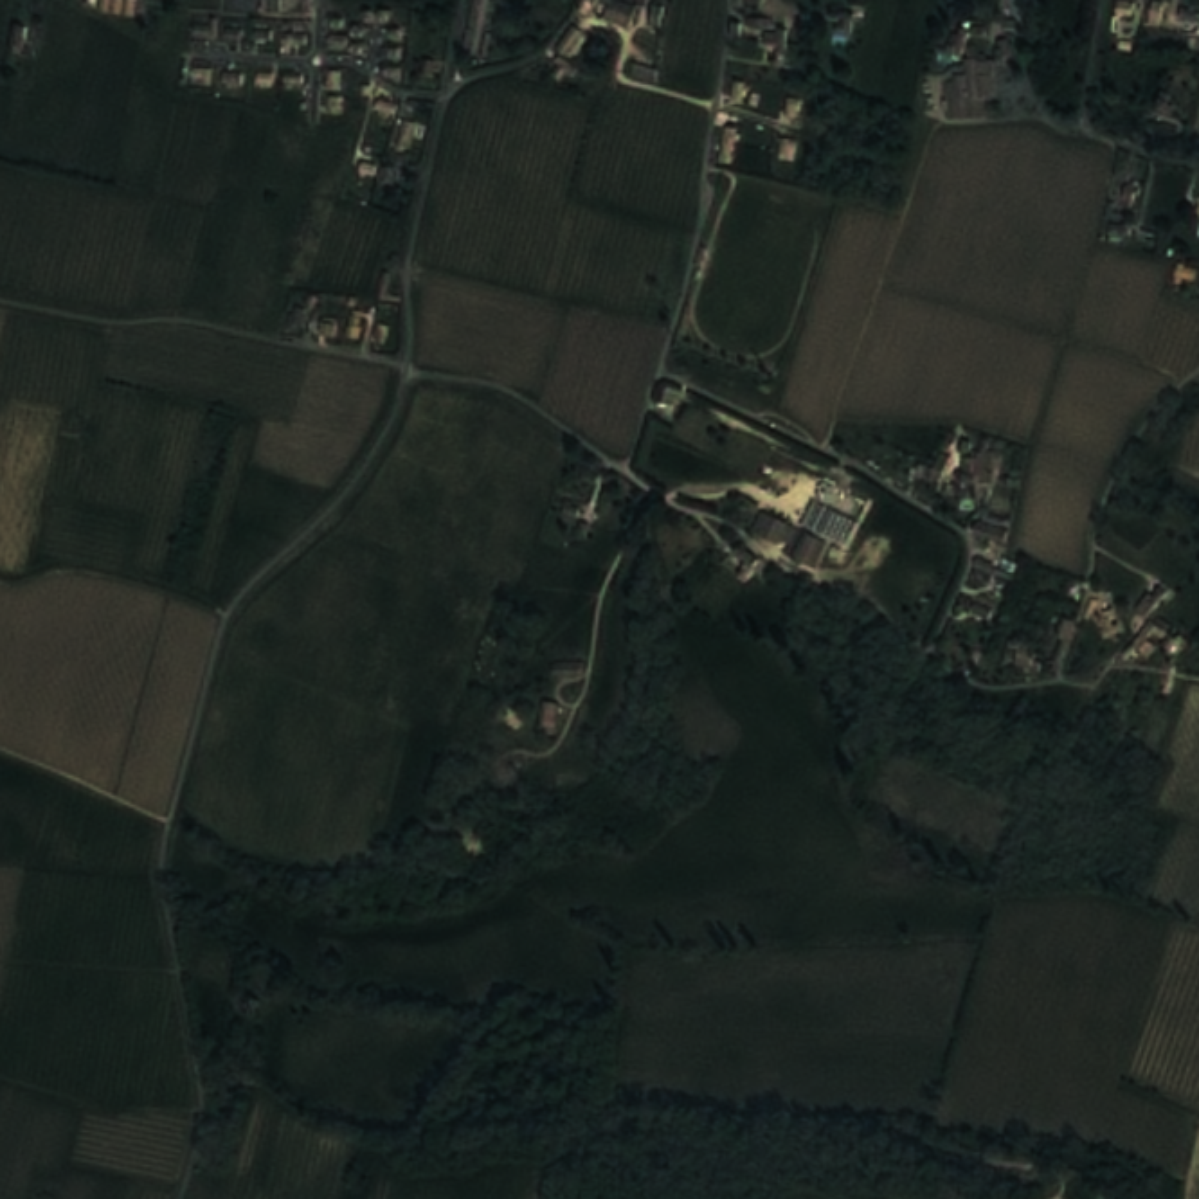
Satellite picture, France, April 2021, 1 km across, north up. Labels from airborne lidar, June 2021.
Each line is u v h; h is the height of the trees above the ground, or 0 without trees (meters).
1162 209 0
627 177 0
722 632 0
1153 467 0
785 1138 22
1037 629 11
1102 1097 0
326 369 0
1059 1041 0
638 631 18
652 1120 22
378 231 0
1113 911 0
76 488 0
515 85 0
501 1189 0
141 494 0
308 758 0
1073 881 6
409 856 20
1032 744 20
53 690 0
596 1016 14
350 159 0
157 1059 0
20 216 0
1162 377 0
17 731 0
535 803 11
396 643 0
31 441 0
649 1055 0
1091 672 15
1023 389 0
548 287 0
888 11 0
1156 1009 0
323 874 12
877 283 0
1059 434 0
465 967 0
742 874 0
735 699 0
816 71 12
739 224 0
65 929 0
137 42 0
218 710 0
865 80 0
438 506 0
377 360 0
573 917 8
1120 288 0
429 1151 19
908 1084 0
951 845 0
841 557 0
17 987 0
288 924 0
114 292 0
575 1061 17
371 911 18
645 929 0
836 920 0
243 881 18
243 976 8
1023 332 0
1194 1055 0
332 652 0
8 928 0
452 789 16
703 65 0
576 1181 19
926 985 0
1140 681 10
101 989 0
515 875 22
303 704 0
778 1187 16
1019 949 0
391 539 0
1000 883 17
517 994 18
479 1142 21
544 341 0
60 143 0
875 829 0
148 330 0
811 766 0
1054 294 0
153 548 0
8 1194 0
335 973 19
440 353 0
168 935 0
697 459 0
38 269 0
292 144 0
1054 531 0
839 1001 0
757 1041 0
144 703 0
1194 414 17
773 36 0
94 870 0
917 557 0
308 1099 0
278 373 0
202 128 0
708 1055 0
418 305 0
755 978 0
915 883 0
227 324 0
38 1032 0
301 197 0
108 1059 0
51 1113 0
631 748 21
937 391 0
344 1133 18
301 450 0
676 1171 17
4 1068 0
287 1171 0
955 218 0
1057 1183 16
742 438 0
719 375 0
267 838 0
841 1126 16
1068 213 0
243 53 0
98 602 0
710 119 0
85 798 0
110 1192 0
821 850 0
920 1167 18
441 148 0
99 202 0
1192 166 10
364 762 0
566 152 0
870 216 0
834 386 0
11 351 0
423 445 0
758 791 0
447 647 0
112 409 0
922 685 8
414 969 0
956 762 9
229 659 0
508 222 0
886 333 0
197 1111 0
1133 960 0
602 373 0
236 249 0
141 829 0
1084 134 0
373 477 0
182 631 0
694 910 0
